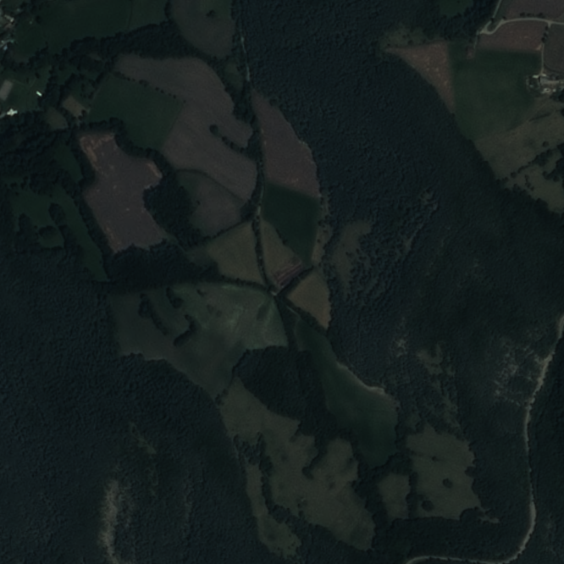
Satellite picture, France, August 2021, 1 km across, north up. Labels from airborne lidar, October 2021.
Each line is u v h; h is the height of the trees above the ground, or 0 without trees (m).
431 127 10
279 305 9
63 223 17
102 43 15
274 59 13
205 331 0
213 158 0
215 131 15
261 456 11
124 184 0
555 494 14
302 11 14
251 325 0
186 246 17
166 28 13
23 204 0
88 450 14
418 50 0
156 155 17
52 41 0
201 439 13
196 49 10
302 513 10
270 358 14
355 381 0
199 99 0
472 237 13
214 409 11
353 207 14
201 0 0
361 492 17
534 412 14
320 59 16
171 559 10
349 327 10
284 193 0
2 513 11
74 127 8
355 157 16
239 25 8
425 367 6
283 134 0
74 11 0
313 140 12
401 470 17
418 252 13
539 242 14
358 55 15
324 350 0
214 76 0
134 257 19
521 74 0
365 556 17
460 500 0
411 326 10
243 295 0
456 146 15
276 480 0
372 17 10
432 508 14
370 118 16
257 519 8
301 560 7
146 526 11
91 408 16
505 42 0
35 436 13
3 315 17
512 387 8
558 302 12
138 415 15
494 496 15
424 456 0
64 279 20
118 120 12
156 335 0
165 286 11
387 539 23
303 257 0
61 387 11
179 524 11
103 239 20
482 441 11
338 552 14
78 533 14
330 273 8
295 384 11
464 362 11
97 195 0
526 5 0
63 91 16
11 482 9
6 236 19
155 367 8
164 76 0
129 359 12
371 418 0
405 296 15
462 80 0
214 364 0
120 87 0
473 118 0
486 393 7
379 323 12
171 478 13
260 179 9
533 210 21
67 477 12
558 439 23
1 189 23
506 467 14
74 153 10
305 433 12
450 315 13
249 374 16
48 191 19
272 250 0
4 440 13
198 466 11
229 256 0
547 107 0
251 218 11
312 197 0
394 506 0
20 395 13
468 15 10
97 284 17
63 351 15
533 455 18
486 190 15
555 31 0
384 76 13
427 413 9
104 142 0
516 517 12
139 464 8
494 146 0
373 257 7
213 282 11
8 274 13
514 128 0
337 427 14
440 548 13
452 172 12
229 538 11
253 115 7
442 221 13
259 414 0
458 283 12
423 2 12
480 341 11
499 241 12
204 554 16
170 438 15
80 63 19
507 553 13
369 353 7
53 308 14
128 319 0
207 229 0
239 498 9
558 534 8
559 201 0
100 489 8
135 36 16
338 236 11
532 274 16
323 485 0
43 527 10
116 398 19
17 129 19
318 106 11
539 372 6
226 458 11
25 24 0
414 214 10
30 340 15
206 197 0
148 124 0
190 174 0
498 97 0
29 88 0
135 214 0
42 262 18
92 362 16
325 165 13
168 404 16
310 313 9
